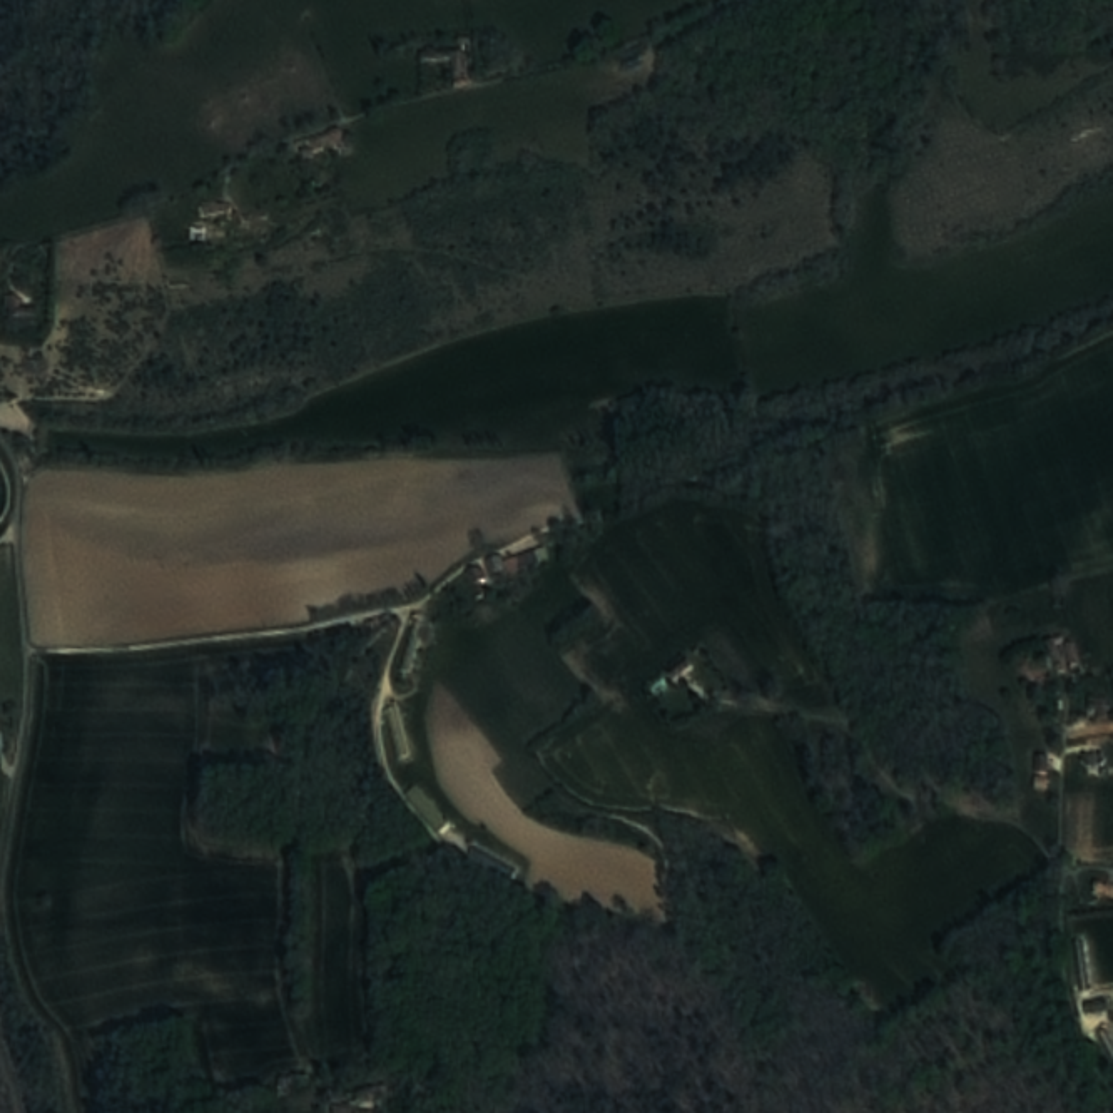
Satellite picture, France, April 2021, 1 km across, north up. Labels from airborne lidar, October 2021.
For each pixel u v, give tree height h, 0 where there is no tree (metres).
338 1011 0
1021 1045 12
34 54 9
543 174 11
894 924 0
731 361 0
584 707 8
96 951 0
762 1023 19
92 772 0
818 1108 18
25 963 0
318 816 24
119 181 0
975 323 0
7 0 8
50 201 0
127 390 0
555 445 0
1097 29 15
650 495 14
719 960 24
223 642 0
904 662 18
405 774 0
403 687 7
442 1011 23
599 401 0
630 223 10
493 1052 25
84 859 0
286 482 0
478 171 5
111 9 6
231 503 0
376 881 19
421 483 0
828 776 13
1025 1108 14
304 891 18
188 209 0
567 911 8
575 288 0
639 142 21
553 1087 15
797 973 13
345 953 0
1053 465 0
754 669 0
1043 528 0
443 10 0
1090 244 0
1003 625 0
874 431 0
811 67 16
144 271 0
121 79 0
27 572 0
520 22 0
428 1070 24
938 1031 17
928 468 0
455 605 8
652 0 0
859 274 0
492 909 22
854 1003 19
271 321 14
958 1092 17
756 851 0
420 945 29
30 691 0
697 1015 9
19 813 0
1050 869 15
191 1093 26
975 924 15
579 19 0
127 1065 22
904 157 12
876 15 22
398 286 5
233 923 0
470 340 0
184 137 0
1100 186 7
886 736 19
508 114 0
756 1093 13
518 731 0
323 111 0
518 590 15
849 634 24
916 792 14
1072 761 0
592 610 14
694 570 0
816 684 0
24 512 0
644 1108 12
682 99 19
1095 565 0
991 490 0
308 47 0
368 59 0
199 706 0
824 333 0
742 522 0
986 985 15
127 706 0
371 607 11
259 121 0
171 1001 0
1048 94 0
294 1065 0
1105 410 0
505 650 0
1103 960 0
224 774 23
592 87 0
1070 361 0
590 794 0
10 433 8
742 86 25
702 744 0
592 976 16
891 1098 22
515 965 27
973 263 0
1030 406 0
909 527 0
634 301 0
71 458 14
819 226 0
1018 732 0
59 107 5
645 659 0
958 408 0
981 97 0
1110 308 11
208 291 0
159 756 0
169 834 0
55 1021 0
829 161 16
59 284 0
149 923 0
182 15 21
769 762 0
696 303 0
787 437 19
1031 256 0
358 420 0
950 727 23
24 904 0
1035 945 15
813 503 16
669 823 10
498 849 0
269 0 0
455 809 0
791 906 14
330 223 7
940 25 16
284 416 15
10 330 14
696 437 26
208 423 14
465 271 10
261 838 20
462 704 0
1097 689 0
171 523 0
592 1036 18
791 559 15
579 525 23
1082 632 0
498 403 0
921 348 0
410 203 14
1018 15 19
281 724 20
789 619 10
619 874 0
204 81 0
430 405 0
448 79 9
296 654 0
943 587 0
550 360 0
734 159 22
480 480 0
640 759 0
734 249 0
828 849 0
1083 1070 22
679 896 23
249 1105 17
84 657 0
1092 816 0
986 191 0
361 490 0
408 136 0
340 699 11
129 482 0
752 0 19
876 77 26
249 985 0
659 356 0
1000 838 0
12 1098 11
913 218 0
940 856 0
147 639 0
